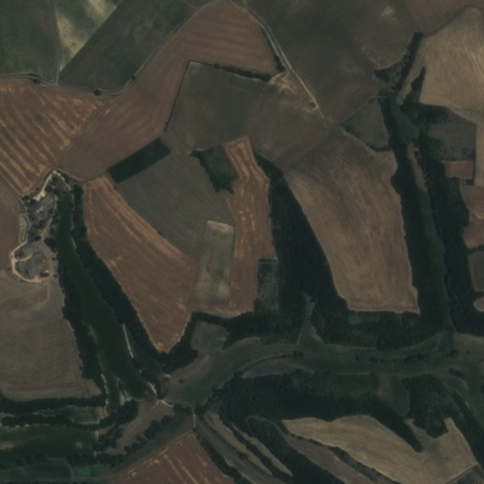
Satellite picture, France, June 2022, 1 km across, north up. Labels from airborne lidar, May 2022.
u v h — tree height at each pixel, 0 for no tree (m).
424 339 14
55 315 0
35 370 0
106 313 0
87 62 0
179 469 0
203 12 0
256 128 0
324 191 0
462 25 0
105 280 12
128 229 0
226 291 0
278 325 10
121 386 13
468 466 0
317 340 0
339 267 0
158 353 8
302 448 0
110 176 0
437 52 0
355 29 0
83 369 9
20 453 0
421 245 21
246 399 11
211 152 0
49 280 0
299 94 0
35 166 0
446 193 8
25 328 0
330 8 0
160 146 0
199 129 0
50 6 0
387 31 0
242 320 9
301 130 0
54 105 0
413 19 0
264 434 11
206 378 0
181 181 0
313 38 0
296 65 0
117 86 0
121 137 0
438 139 9
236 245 0
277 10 0
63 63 0
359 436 0
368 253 0
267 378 14
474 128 0
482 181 0
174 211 0
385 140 0
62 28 0
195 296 0
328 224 0
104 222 0
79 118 0
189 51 0
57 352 0
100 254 0
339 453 7
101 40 0
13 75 0
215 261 0
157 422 23
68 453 0
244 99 0
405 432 19
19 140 0
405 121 0
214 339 0
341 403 15
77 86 0
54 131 0
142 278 0
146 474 0
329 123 0
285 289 12
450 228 19
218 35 0
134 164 0
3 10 0
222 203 0
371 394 12
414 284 11
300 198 0
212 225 0
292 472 12
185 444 0
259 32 0
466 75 0
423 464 0
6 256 0
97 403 12
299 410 11
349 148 0
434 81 0
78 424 8
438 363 0
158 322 0
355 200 0
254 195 0
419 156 10
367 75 0
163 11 0
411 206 14
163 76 0
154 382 12
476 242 0
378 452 0
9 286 0
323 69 0
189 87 0
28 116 0
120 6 0
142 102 0
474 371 0
